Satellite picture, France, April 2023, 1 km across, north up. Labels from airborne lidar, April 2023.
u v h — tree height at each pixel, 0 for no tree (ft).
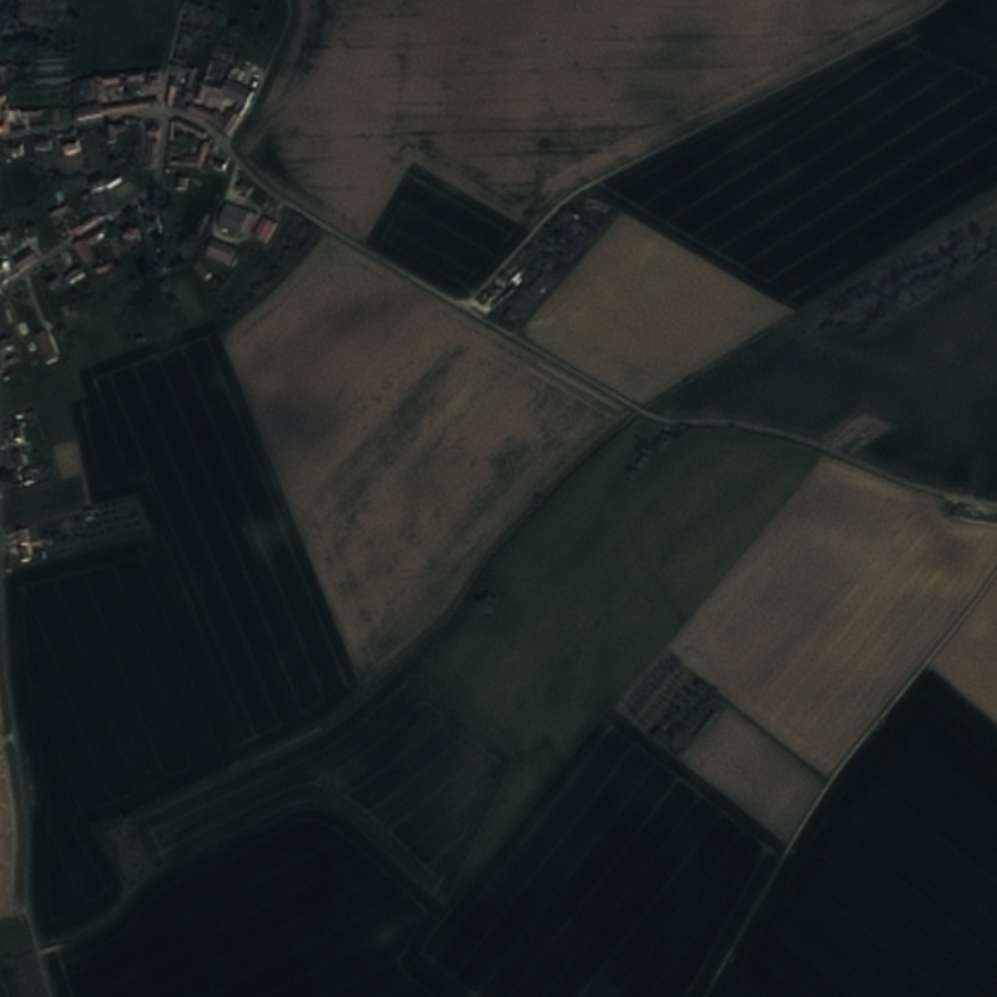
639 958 0
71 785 0
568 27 0
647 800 0
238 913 0
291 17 0
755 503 0
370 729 0
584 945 0
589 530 0
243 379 0
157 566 0
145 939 0
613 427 0
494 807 0
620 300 0
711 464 0
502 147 0
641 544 0
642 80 0
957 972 0
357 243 0
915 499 0
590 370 0
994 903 0
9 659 0
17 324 0
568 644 0
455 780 0
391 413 0
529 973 0
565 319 0
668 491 0
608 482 0
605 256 0
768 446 0
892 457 0
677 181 0
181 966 0
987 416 0
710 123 0
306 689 0
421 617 0
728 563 0
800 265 0
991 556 0
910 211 0
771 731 0
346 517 0
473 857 0
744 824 0
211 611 0
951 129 0
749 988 0
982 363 0
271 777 0
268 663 0
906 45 0
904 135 0
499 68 0
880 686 0
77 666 0
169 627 0
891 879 0
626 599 0
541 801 0
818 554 0
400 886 0
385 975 0
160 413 0
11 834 0
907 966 0
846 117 0
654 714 80
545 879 0
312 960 0
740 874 0
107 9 0
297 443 0
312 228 41
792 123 0
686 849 0
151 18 0
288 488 0
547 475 0
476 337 0
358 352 0
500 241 0
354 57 0
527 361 0
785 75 0
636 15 0
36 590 0
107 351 0
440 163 0
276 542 0
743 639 0
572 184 0
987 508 0
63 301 0
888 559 0
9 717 0
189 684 0
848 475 0
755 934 0
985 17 0
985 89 0
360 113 0
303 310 0
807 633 0
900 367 0
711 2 0
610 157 0
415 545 0
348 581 0
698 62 0
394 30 0
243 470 0
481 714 0
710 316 0
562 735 0
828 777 0
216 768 0
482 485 0
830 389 0
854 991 0
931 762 0
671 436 24
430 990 0
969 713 0
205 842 0
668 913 0
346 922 0
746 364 0
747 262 0
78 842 0
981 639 0
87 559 0
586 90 0
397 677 0
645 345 0
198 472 0
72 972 0
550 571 0
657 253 0
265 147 0
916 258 0
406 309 0
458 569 0
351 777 0
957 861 0
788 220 0
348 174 0
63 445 0
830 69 0
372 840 0
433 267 0
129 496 0
